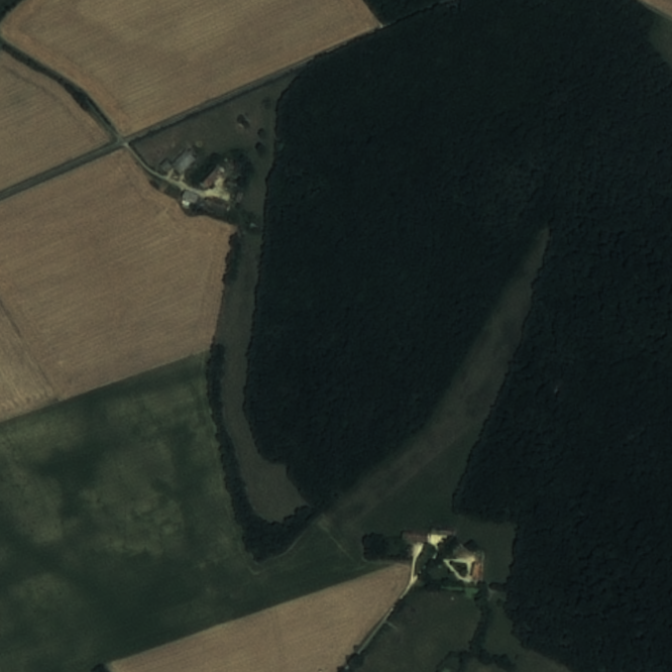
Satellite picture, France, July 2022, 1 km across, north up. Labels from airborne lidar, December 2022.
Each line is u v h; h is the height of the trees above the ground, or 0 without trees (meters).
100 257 0
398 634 0
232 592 0
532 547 20
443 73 17
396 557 9
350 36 0
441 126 16
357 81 16
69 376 0
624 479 15
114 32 0
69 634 0
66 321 0
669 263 21
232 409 0
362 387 14
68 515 0
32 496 0
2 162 0
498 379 0
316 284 16
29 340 0
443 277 13
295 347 14
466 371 0
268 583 0
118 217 0
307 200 21
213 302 0
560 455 17
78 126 0
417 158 13
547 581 17
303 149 20
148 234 0
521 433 6
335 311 15
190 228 0
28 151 0
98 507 0
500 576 0
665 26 0
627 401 15
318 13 0
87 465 0
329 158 19
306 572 0
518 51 15
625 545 12
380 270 18
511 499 15
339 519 0
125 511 0
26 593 0
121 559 0
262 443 16
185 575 0
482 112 16
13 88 0
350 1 0
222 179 0
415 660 0
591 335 22
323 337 9
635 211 15
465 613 0
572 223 19
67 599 0
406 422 14
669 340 16
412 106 15
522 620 16
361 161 16
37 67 10
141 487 0
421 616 0
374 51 17
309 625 0
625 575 22
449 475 0
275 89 0
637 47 11
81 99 13
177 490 0
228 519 0
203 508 0
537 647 19
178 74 0
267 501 0
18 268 0
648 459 23
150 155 0
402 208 23
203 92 0
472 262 12
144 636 0
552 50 18
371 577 0
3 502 0
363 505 0
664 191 12
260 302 15
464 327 14
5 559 0
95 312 0
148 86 0
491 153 12
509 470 12
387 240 19
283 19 0
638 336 19
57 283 0
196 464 0
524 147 17
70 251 0
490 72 17
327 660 0
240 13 0
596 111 18
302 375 16
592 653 21
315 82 16
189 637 0
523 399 13
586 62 9
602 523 20
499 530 0
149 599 0
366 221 17
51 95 0
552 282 17
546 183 12
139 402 0
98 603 0
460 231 13
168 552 0
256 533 13
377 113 17
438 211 14
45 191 0
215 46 0
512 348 0
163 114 0
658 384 17
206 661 0
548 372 14
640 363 17
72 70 0
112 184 0
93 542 0
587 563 20
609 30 11
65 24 0
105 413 0
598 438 21
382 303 14
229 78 0
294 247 21
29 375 0
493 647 0
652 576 20
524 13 16
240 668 0
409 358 12
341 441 21
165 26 0
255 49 0
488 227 14
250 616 0
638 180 14
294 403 14
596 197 15
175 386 0
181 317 0
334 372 13
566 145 16
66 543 0
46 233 0
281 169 19
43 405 0
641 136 16
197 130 0
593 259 22
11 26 0
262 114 0
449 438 0
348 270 18
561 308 17
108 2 0
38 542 0
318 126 18
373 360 13
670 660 21
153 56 0
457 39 18
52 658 0
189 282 0
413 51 21
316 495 17
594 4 18
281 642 0
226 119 0
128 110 0
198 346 0
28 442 0
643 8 15
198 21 0
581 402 13
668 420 18
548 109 19
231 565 0
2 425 0
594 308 21
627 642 18
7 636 0
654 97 16
